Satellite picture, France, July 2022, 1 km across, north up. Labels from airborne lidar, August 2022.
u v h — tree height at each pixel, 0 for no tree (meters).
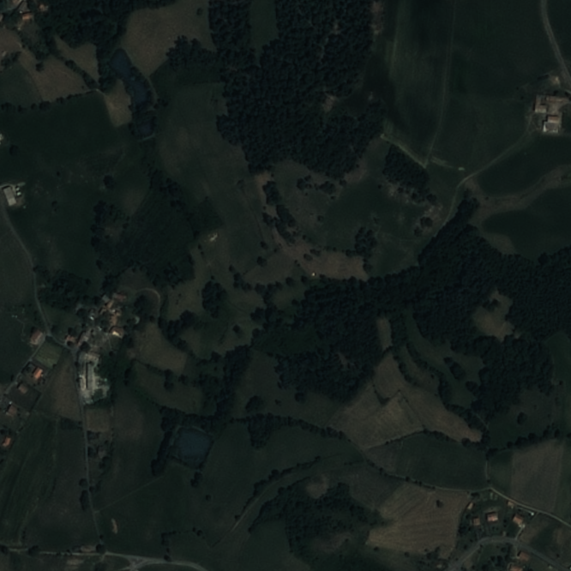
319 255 11
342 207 0
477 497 12
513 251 0
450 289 19
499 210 0
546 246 0
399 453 0
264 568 0
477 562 0
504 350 11
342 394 20
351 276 0
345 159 7
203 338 0
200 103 0
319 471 0
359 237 10
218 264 0
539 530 0
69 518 0
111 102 0
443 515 0
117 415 0
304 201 0
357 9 22
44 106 14
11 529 0
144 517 0
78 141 0
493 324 0
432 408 0
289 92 26
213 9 9
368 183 0
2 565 0
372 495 0
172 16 0
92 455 11
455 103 0
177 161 0
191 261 23
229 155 0
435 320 18
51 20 12
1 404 0
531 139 0
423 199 8
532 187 0
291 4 14
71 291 18
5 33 0
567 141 0
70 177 0
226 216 0
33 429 0
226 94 8
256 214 0
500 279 9
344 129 14
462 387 0
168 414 20
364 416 0
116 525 0
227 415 24
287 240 15
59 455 0
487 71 0
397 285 20
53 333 9
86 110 0
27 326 0
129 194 0
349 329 20
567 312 6
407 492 0
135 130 12
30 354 0
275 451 0
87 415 0
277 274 0
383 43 0
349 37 26
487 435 12
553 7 0
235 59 8
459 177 0
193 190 0
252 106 13
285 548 0
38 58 9
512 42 0
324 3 13
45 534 0
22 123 0
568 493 0
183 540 0
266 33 0
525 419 11
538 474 0
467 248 18
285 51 22
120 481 0
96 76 0
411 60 0
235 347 0
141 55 0
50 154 0
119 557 0
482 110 0
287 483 0
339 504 7
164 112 0
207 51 12
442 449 0
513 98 0
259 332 15
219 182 0
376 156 0
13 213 0
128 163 0
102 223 21
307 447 0
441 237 20
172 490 0
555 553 0
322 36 10
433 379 9
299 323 24
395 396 0
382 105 8
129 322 8
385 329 0
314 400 0
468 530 7
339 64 21
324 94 14
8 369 0
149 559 0
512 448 14
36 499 0
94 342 0
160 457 18
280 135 18
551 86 0
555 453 0
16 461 0
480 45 0
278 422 18
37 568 0
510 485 0
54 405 0
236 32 8
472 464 0
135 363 6
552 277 8
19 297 0
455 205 0
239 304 0
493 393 19
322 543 0
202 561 0
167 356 0
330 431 16
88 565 0
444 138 0
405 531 0
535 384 9
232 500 0
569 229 0
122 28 16
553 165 0
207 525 0
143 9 16
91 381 0
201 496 0
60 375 0
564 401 0
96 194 0
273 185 10
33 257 0
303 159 14
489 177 0
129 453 0
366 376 19
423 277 7
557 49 0
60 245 0
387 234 0
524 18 0
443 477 0
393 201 0
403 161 19
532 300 8
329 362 15
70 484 0
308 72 25
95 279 0
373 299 7
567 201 0
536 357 17
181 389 0
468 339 17
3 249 0
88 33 21
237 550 0
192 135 0
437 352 0
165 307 9
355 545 0
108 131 0
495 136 0
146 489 0
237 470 0
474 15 0
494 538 0
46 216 0
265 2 0
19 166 0
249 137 7
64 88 0
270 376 0
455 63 0
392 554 0
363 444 0
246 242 0
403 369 15
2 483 0
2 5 16
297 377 21
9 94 0
